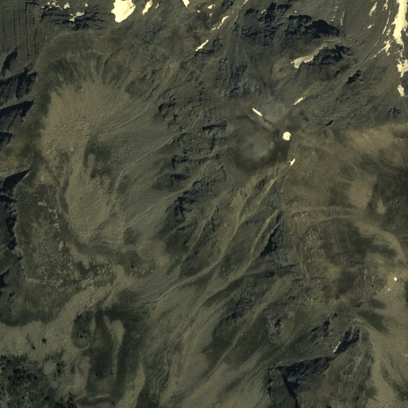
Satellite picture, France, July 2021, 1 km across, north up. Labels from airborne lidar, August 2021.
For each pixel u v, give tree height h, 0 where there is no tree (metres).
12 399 0
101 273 0
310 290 0
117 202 0
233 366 0
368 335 0
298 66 0
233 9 0
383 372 0
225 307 0
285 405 0
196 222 0
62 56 0
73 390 0
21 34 0
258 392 0
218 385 0
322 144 0
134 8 0
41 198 0
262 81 0
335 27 0
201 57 0
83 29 0
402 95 0
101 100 0
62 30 0
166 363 0
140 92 0
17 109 0
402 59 0
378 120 0
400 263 0
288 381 0
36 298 0
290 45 0
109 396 0
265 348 0
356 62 0
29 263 0
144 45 0
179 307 0
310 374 0
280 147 0
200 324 0
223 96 0
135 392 0
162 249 0
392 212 0
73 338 0
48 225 0
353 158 0
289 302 0
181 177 0
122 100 0
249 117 0
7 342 0
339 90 0
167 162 0
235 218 0
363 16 0
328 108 0
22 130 0
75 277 0
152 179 0
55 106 0
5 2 0
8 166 0
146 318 0
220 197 0
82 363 0
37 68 0
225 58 0
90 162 0
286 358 0
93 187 0
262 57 0
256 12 0
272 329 0
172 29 0
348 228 0
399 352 0
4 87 0
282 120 0
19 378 11
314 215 0
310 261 0
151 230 0
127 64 0
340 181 0
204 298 0
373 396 0
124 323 0
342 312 0
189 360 0
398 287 0
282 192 0
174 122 0
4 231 0
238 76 0
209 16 0
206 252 0
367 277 0
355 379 0
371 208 0
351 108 0
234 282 0
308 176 0
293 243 0
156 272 0
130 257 0
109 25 0
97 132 0
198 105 0
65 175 0
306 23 0
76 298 0
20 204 0
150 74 0
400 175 0
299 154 0
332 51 0
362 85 0
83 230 0
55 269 0
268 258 0
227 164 0
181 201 0
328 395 0
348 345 0
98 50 0
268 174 0
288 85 0
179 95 0
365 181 0
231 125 0
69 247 0
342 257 0
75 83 0
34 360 0
